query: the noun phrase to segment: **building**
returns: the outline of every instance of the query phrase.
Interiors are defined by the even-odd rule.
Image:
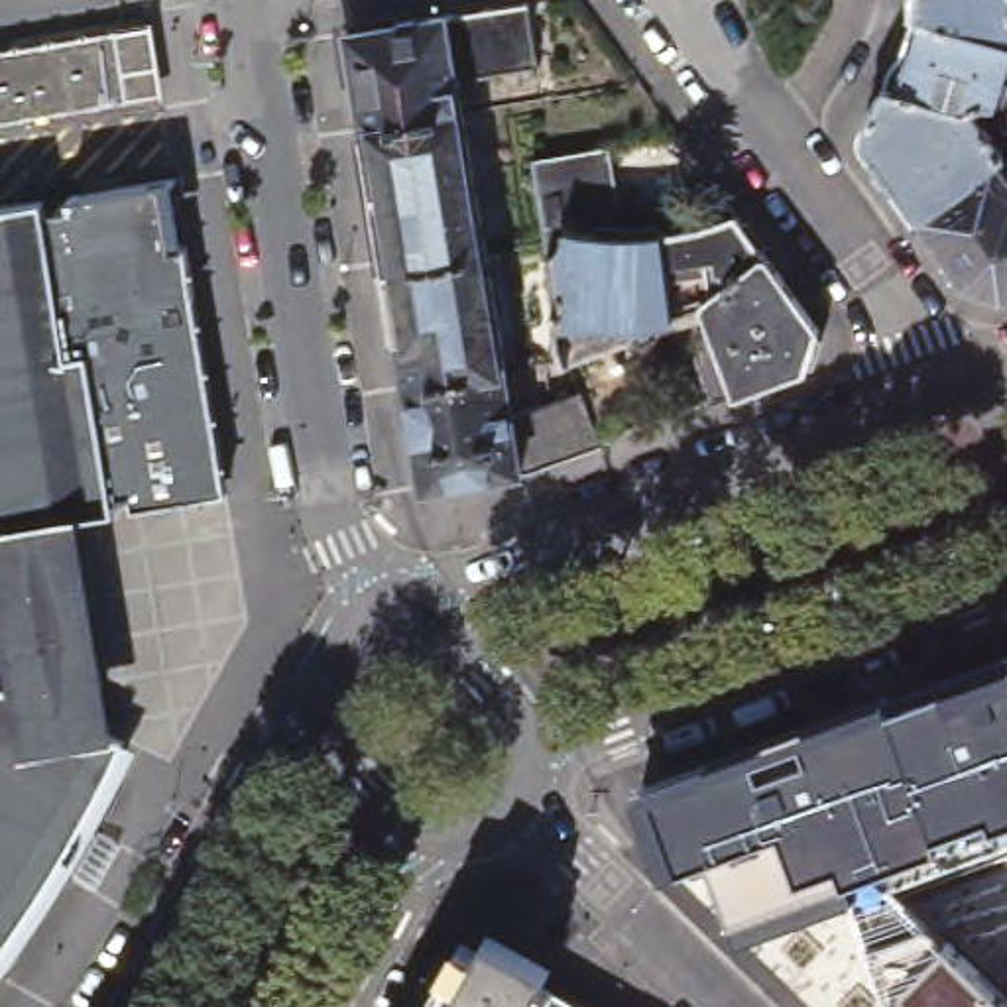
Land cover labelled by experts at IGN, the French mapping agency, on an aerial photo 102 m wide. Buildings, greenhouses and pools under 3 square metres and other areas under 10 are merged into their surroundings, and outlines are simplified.
[[[543,31],[543,16],[531,20],[527,4],[444,16],[433,4],[425,20],[393,20],[385,28],[346,31],[350,55],[338,63],[338,83],[350,94],[354,126],[366,142],[370,197],[378,220],[378,267],[389,291],[397,334],[393,378],[401,405],[409,409],[401,421],[401,448],[413,452],[413,488],[421,496],[433,496],[433,488],[441,484],[456,500],[488,496],[492,504],[500,504],[507,492],[555,476],[555,464],[594,448],[602,448],[602,468],[618,468],[610,444],[598,441],[598,429],[590,425],[586,405],[578,397],[566,397],[535,413],[527,452],[515,444],[511,425],[496,417],[496,405],[511,389],[492,330],[484,252],[500,260],[500,248],[515,240],[515,224],[507,208],[492,98],[488,87],[496,75],[539,67]]]
[[[472,964],[444,964],[437,972],[429,987],[433,1007],[566,1007],[563,995],[547,991],[547,972],[539,964],[515,956],[496,940],[484,940]]]
[[[55,138],[59,157],[79,157],[83,138],[94,130],[157,122],[153,110],[165,102],[165,83],[157,71],[157,47],[149,28],[0,51],[0,146]]]
[[[130,751],[106,736],[75,535],[110,527],[118,535],[146,511],[177,511],[205,500],[224,500],[224,472],[201,358],[201,330],[193,311],[189,260],[173,228],[173,181],[71,197],[55,216],[35,205],[0,208],[0,979],[43,924],[63,885],[94,893],[122,861],[122,846],[98,830],[98,822],[106,818],[106,806],[114,802],[130,771]]]
[[[673,205],[669,212],[661,212],[657,181],[645,169],[625,165],[625,149],[602,149],[539,157],[531,161],[531,197],[543,256],[551,279],[555,342],[543,346],[547,362],[535,366],[539,382],[582,370],[590,385],[602,378],[610,362],[618,362],[618,354],[633,350],[637,342],[692,330],[700,346],[696,378],[704,389],[712,382],[728,409],[747,409],[763,405],[775,393],[799,389],[818,370],[818,330],[740,220],[708,224],[704,208],[696,205]]]
[[[948,948],[928,944],[909,964],[905,979],[889,987],[885,1007],[991,1007],[991,987],[976,979],[976,972],[964,960],[956,960]]]
[[[657,826],[665,830],[677,861],[688,873],[688,893],[700,905],[716,909],[732,932],[791,909],[830,901],[830,893],[881,893],[893,873],[924,865],[928,850],[936,846],[1007,834],[1007,677],[964,696],[932,700],[897,716],[861,716],[818,736],[779,740],[736,767],[712,775],[681,775],[657,799]]]
[[[854,157],[897,208],[905,232],[901,244],[917,252],[936,287],[956,287],[964,295],[976,295],[979,307],[999,307],[1007,315],[1007,173],[995,161],[991,146],[979,138],[976,122],[991,114],[1007,118],[1007,0],[905,0],[905,24],[893,20],[877,47],[877,102],[865,126],[854,134]]]

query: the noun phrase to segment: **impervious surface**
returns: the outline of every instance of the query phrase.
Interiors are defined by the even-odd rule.
[[[979,138],[991,146],[995,161],[1007,173],[1007,118],[991,114],[976,122]]]
[[[539,157],[602,149],[590,130],[539,134]]]
[[[555,43],[543,31],[539,67],[496,75],[488,87],[492,98],[535,94],[555,87]]]
[[[539,323],[531,326],[531,342],[539,346],[535,366],[547,362],[543,346],[555,342],[551,279],[543,256],[519,260],[523,295],[539,303]]]
[[[378,972],[370,972],[370,979],[358,987],[350,1007],[433,1007],[429,987],[437,972],[444,964],[472,964],[484,940],[496,940],[515,956],[539,964],[547,972],[547,991],[563,995],[566,1007],[885,1007],[889,987],[905,979],[909,964],[928,944],[948,948],[956,960],[964,960],[976,972],[976,979],[991,987],[991,1007],[1007,1007],[1007,834],[936,846],[928,850],[924,865],[893,873],[881,893],[830,893],[830,901],[791,909],[732,932],[716,909],[700,905],[688,893],[688,873],[677,861],[665,830],[657,826],[657,799],[681,775],[712,775],[736,767],[779,740],[818,736],[861,716],[897,716],[932,700],[964,696],[1007,677],[1007,578],[995,590],[948,614],[909,618],[885,645],[787,665],[771,677],[728,688],[704,704],[665,708],[653,716],[614,716],[610,732],[598,743],[578,751],[547,755],[539,747],[535,704],[551,661],[606,669],[618,681],[629,681],[633,653],[681,641],[696,629],[732,618],[736,610],[763,618],[767,602],[810,602],[810,590],[858,566],[873,566],[893,555],[909,555],[917,547],[944,543],[956,535],[972,535],[987,523],[991,511],[1007,511],[1007,315],[999,307],[979,307],[976,295],[964,295],[956,287],[936,287],[917,252],[901,244],[905,232],[897,208],[854,157],[854,134],[865,126],[877,102],[877,47],[893,20],[905,24],[905,0],[834,0],[826,28],[814,35],[799,71],[779,79],[771,75],[755,39],[747,35],[740,0],[590,0],[641,67],[665,98],[657,114],[665,138],[657,146],[625,149],[625,165],[645,169],[657,181],[661,212],[669,212],[673,205],[696,205],[704,208],[708,224],[740,220],[818,330],[818,370],[799,389],[775,393],[763,405],[747,409],[728,409],[712,382],[704,389],[696,405],[696,429],[688,429],[684,437],[677,437],[673,421],[665,421],[653,441],[618,437],[610,444],[618,468],[602,468],[602,448],[594,448],[555,464],[555,476],[507,492],[500,504],[492,504],[488,496],[456,500],[441,484],[433,488],[433,496],[421,496],[413,488],[413,452],[401,448],[401,421],[409,409],[401,405],[393,378],[397,334],[389,291],[378,267],[378,220],[370,197],[366,142],[354,126],[350,94],[338,83],[338,63],[350,55],[346,31],[385,28],[393,20],[425,20],[433,4],[444,16],[527,4],[531,20],[543,16],[547,8],[555,0],[0,0],[0,51],[149,28],[157,47],[157,71],[165,83],[165,102],[153,110],[157,122],[94,130],[83,138],[79,157],[59,157],[55,138],[0,146],[0,208],[35,205],[55,216],[71,197],[173,181],[173,228],[189,260],[193,311],[201,330],[201,358],[224,472],[224,500],[205,500],[177,511],[146,511],[118,535],[110,527],[75,535],[106,736],[130,751],[130,771],[114,802],[106,806],[106,818],[98,822],[98,830],[122,846],[122,861],[94,893],[63,885],[43,924],[0,979],[0,1007],[138,1007],[134,995],[142,991],[157,944],[165,944],[173,928],[185,920],[185,893],[193,889],[201,850],[212,842],[208,826],[232,814],[232,799],[252,779],[260,755],[326,767],[330,779],[354,802],[350,818],[342,822],[342,842],[362,861],[405,861],[405,873],[413,877],[401,901],[401,917],[393,924],[393,940]],[[826,456],[873,448],[885,437],[917,433],[928,425],[956,429],[968,441],[956,464],[976,472],[983,488],[964,507],[936,511],[920,523],[889,527],[877,543],[865,547],[846,543],[830,551],[822,566],[802,574],[712,578],[704,602],[684,614],[661,614],[641,622],[637,629],[598,633],[574,645],[547,645],[531,669],[511,669],[504,681],[492,677],[484,665],[460,661],[468,602],[480,590],[480,582],[511,574],[511,582],[551,586],[555,574],[574,566],[590,566],[602,559],[637,559],[645,555],[653,535],[669,535],[677,523],[704,519],[708,507],[751,496],[751,484],[771,468],[810,468]],[[452,681],[452,708],[441,716],[441,724],[456,728],[468,747],[511,747],[504,799],[484,822],[472,818],[452,830],[429,830],[417,818],[405,818],[393,795],[389,767],[366,759],[350,740],[338,716],[342,700],[354,692],[358,669],[393,653],[405,653],[441,681]],[[142,858],[161,861],[165,877],[157,881],[153,905],[142,917],[126,917],[122,897],[130,889],[130,869]]]

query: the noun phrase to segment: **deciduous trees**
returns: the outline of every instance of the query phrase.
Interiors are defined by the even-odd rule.
[[[822,566],[830,551],[846,543],[865,547],[877,543],[889,527],[920,523],[936,511],[964,507],[983,488],[976,472],[956,464],[968,441],[956,429],[928,425],[917,433],[885,437],[873,448],[826,456],[810,468],[771,468],[751,484],[751,496],[708,507],[704,519],[677,523],[669,535],[653,535],[645,555],[637,559],[602,559],[590,566],[574,566],[555,574],[551,586],[511,582],[511,574],[480,582],[480,590],[468,602],[460,661],[484,665],[492,677],[504,681],[511,669],[531,669],[547,645],[574,645],[598,633],[637,629],[641,622],[661,614],[684,614],[704,602],[712,578],[802,574]]]
[[[157,944],[142,991],[134,995],[138,1007],[350,1007],[358,987],[370,979],[370,972],[378,972],[393,940],[393,924],[401,917],[401,901],[413,877],[405,873],[405,861],[362,861],[342,842],[342,822],[350,818],[354,802],[330,779],[326,767],[260,755],[252,779],[232,799],[232,814],[208,826],[212,842],[201,850],[193,889],[185,893],[185,920],[173,928],[165,944]]]
[[[618,681],[606,669],[551,661],[535,704],[539,747],[547,755],[578,751],[598,743],[610,732],[614,716],[653,716],[665,708],[704,704],[728,688],[771,677],[787,665],[885,645],[909,618],[948,614],[995,590],[1007,578],[1007,511],[991,511],[987,523],[972,535],[956,535],[944,543],[917,547],[909,555],[893,555],[873,566],[858,566],[810,590],[810,602],[767,602],[763,618],[736,610],[732,618],[696,629],[681,641],[633,653],[629,681]]]
[[[342,700],[338,716],[350,740],[366,759],[389,767],[393,795],[405,818],[417,818],[429,830],[452,830],[472,818],[484,822],[504,799],[511,747],[468,747],[456,728],[441,724],[441,716],[452,708],[452,681],[441,681],[405,653],[393,653],[358,669],[354,692]]]

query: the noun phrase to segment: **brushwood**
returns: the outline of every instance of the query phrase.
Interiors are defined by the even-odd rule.
[[[586,405],[590,425],[598,429],[598,441],[610,444],[618,437],[653,441],[665,421],[673,421],[677,437],[684,437],[688,429],[696,429],[696,405],[704,389],[696,378],[700,346],[692,330],[637,342],[633,350],[618,354],[618,362],[610,362],[602,378],[590,385],[578,397]]]
[[[625,118],[590,130],[602,149],[625,149],[657,146],[665,138],[657,114],[629,110]]]
[[[165,877],[161,861],[142,858],[130,869],[130,889],[122,897],[126,917],[142,917],[153,905],[157,881]]]
[[[563,16],[566,28],[590,24],[618,67],[641,67],[590,0],[555,0],[547,8]]]
[[[834,0],[740,0],[747,35],[755,39],[771,75],[779,79],[799,71],[814,35],[826,28]]]

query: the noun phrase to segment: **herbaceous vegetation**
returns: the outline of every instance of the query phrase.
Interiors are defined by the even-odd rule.
[[[543,31],[555,43],[555,87],[535,94],[492,98],[507,208],[515,224],[515,240],[500,248],[500,260],[484,252],[492,330],[511,389],[496,405],[496,417],[511,425],[515,444],[527,452],[535,413],[566,397],[578,397],[590,385],[582,370],[539,382],[535,366],[539,346],[531,342],[531,326],[539,323],[539,303],[523,295],[519,260],[543,256],[531,197],[531,161],[539,157],[539,134],[590,130],[625,118],[629,110],[657,114],[665,98],[641,67],[618,67],[590,24],[566,28],[563,16],[547,8],[543,16]]]

